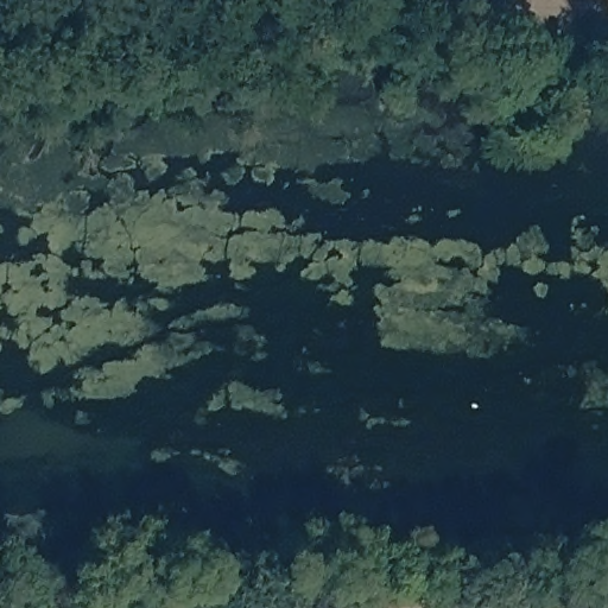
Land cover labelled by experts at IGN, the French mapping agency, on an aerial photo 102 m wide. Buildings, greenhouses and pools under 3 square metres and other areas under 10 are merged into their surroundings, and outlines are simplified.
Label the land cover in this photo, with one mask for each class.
<instances>
[{"label":"water","instance_id":"1","mask_svg":"<svg viewBox=\"0 0 608 608\"><path fill-rule=\"evenodd\" d=\"M489 135L487 126L475 124L470 128L468 157L456 169H447L439 162L430 166H418L404 159L373 154L368 162L323 164L316 171L278 169L273 183L252 181L254 166L247 164L245 178L230 185L223 181V171L235 166L238 152H223L214 154L209 162L200 157H166V171L154 181L147 178L145 169H131L135 190L157 195L159 190L173 188L176 178L185 169H192L197 178L209 176V183L202 188L204 195H226L221 211L247 214L276 209L287 221L304 219L306 230L323 235L328 242H390L394 238H409L435 245L439 240H466L489 254L494 249H506L515 242L518 235L527 233L530 228H539L549 245V249L539 259L565 264L572 261L570 223L575 216H584V223H580V228L584 230L596 226V245L608 249V133L587 131L582 140L572 145V152L565 162H556L546 171H527L496 169L482 154V143ZM306 178H316L323 183L342 181V188L349 192V200L342 204L321 200L311 195V190L304 185ZM31 226V219L17 216L12 209L0 207V264H24L38 254H48L50 245L45 235H38L31 242L21 245L19 230ZM62 261L67 266H81L86 261L93 266V271L102 268V259L88 257L69 247L62 252ZM309 266L306 257H297L287 264L285 271H276L271 261H259L252 278H233L230 264L223 259L202 261L207 280L181 285L173 290H159L154 283L140 276L138 261H131L126 268L133 283H124L116 278H67V295L95 297L105 302L107 309H114V304L121 299L126 302V311H133L135 302L140 299H166L169 309H152L145 318L157 325L154 335H145L131 344L95 347L88 356L74 363H57L48 373H38L36 368H31L29 354L17 342L0 337V542L10 537L2 530L7 525V515H31L36 511H45L38 534L50 542L52 551L43 561L59 570V575L64 577L69 570H81L83 565L107 563V556L100 549V537L107 530L126 525L145 532L152 520H164L166 525L157 530L152 546H147V556L152 558L178 553L190 539L200 537V532H211L214 549H221L226 553L273 551L280 556V568H290L297 561V553L304 551L309 523L330 520L340 518L342 513H349L354 518H363L371 530L390 527V539L394 544L409 542L413 530L430 527L451 549H463L473 553L480 563H485L487 570H492L511 553L546 551L551 542L558 537H575L580 542L587 530H594L603 520H608V406L603 409V416H594L589 409L580 406L587 392V382L582 378H568V366L591 361L603 373H608V290L601 285V280L589 278L584 273L561 278L551 273H525L518 266L504 264L499 271V280L489 283V299L482 309L492 321H504L506 325L525 328L527 340L511 342L506 352H496L492 359H473L461 352L435 354L423 349L382 347L375 316V285H394V278L387 273V266L354 268L352 304H337L330 299V292L316 290V285L309 278H302V271ZM216 304H235L240 306V316L223 321H202L190 328L173 325V321ZM240 328H254L259 335H264L266 359H254V342L240 340ZM169 335H195V340L211 344L209 356L171 368L169 380L143 378L135 385L133 394L119 399H74L57 401L52 406L43 404V392L48 390L81 387L83 382L74 380L76 373L86 368L100 371L105 363L112 361H131L143 347L164 344ZM230 382H240L261 392L276 390L283 394L285 409L318 406L321 411L311 418L287 420L249 409H221L214 411L204 425H195V411L209 404V399ZM359 411H368L371 416L409 418V425L366 428L359 420ZM190 449H207L211 454L216 449H230L233 461H238L235 473L228 475L219 466L190 456ZM344 456H356L361 466H382L380 482H390V487L368 489L359 477L342 482L340 477L330 475L328 466H337V461Z\"/></svg>","mask_w":608,"mask_h":608},{"label":"deciduous trees","instance_id":"2","mask_svg":"<svg viewBox=\"0 0 608 608\"><path fill-rule=\"evenodd\" d=\"M378 67H392V83L385 86L378 100L380 112L392 109L399 116L413 119L418 109V86H423L437 90V95L447 102L468 95L470 109L463 116L475 124L487 126L489 135L482 143V154L496 169L527 171H546L556 162H565L572 152V145L582 140L587 131L608 133V40H596V36H587L577 40L568 36L556 40L546 31L544 19H539L534 12H530L527 17H513L504 12L501 5L487 0H0V143L10 145L17 138L36 135L38 140H43L45 152H52V147L57 145H83V150H100L107 143L133 140V121L143 114L157 121L159 126L178 131V135L188 143L209 140L211 135H261L264 119L278 116L283 107H287L297 119L318 126L335 107L340 86L368 88L373 81V71ZM45 511H36L31 515H7V525L2 530L10 537L0 542V608H608V520H603L594 530H587L580 542L575 537H558L551 542L546 551L511 553L492 570H487L485 563H480L473 553L463 549H451L430 527L413 530L409 542L394 544L390 539V527L371 530L363 518H354L349 513H342L340 518L330 520L309 523L304 551L297 553V561L290 568H280V556L273 551L226 553L221 549H214L211 532H200V537L190 539L178 553L152 558L147 556V546H152L157 530L166 525L164 520H152L145 532L126 525L107 530L100 537V549L107 556V563L83 565L81 570H69L64 577L59 575V570L43 561L52 551L50 542L38 534Z\"/></svg>","mask_w":608,"mask_h":608},{"label":"herbaceous vegetation","instance_id":"3","mask_svg":"<svg viewBox=\"0 0 608 608\"><path fill-rule=\"evenodd\" d=\"M392 83V67H378L373 71V81L368 88L340 86L335 107L318 126L297 119L287 107H283L278 116L264 119L261 135H211L209 140L188 143L178 135V131L159 126L157 121L143 114L133 121V140L107 143L100 150H83V145H57L52 147V152H45L43 140H38L36 135L17 138L10 145L0 143V207L12 209L17 216L31 219V226L19 230L21 245L31 242L38 235H45L50 245L48 254H38L24 264H0V337L17 342L29 354L31 368H36L38 373H48L57 363H74L88 356L95 347L131 344L145 335H154L157 325L145 318L152 309H169L166 299H140L135 302L133 311H126V302L121 299L114 304V309H107L105 302L95 297L67 295V278H116L124 283H133L126 268L131 261H138L140 276L154 283L159 290H173L181 285L207 280L202 261L223 259L230 264L233 278H252L259 261H271L276 271H285L287 264L297 257H306L309 266L302 271V278H309L316 285V290L330 292V299L337 304H352L354 268L387 266V273L394 278V285H375V316L382 347L423 349L435 354L461 352L473 359H492L496 352H506L511 342L527 340L525 328L506 325L504 321H492L482 309L489 299V283L499 280V271L504 264L518 266L525 273H551L561 278L584 273L589 278L601 280V285L608 290V249L596 245V226L584 230L580 228V223H584V216H575L570 223L572 261L565 264L539 259L549 249V245L539 228H530L527 233L518 235L515 242L506 249H494L489 254L466 240H439L435 245L409 238H394L390 242H328L323 235L306 230L304 219L287 221L276 209L247 214L221 211L226 195H204L202 188L209 183V176L197 178L192 169H185L176 178L173 188L159 190L157 195L135 190L131 169H145L147 178L154 181L166 171V157H200L209 162L214 154L223 152H238L235 166L223 171V181L230 185L245 178L247 164L254 166L252 181L273 183L278 169L316 171L323 164L368 162L373 154L404 159L418 166H430L439 162L447 169H456L468 157L470 128L475 124L463 116L470 109L468 95L447 102L437 95V90L423 86H418V109L413 119L399 116L392 109L380 112L378 100L385 86ZM69 247L88 257L102 259V268L93 271V266L86 261L81 266H67L62 261V252ZM304 185L311 190V195L321 200L342 204L349 200V192L342 188V181L323 183L316 178H306ZM240 316V306L235 304H216L173 321V325L190 328L202 321H223ZM240 340L254 342V359H266L264 335H259L254 328H240ZM211 344L195 340V335H169L164 344L143 347L131 361H112L105 363L100 371L86 368L76 373L74 380L83 382L81 387L48 390L43 392V404L52 406L57 401L74 399H119L133 394L135 385L143 378L169 380L171 368L209 356ZM568 378H582L587 382V392L580 406L589 409L594 416H603V409L608 406V373H603L591 361L568 366ZM221 409H249L287 420L311 418L321 411L318 406L285 409L283 394L276 390L261 392L240 382H230L209 399V404L195 411V425H204L214 411ZM359 420L366 428L409 425V418L371 416L368 411H359ZM190 456L219 466L228 475L235 473L238 461H233L230 449H216L211 454L207 449H190ZM330 475L340 477L342 482L359 477L368 489L390 487V482H380L382 466H361L356 456H344L337 461V466H328Z\"/></svg>","mask_w":608,"mask_h":608},{"label":"agricultural land","instance_id":"4","mask_svg":"<svg viewBox=\"0 0 608 608\"><path fill-rule=\"evenodd\" d=\"M501 5L504 12L513 17H527L530 12H534L539 19H544L546 31L556 40L568 36L577 40L587 36H596V40H608V0H487Z\"/></svg>","mask_w":608,"mask_h":608}]
</instances>
